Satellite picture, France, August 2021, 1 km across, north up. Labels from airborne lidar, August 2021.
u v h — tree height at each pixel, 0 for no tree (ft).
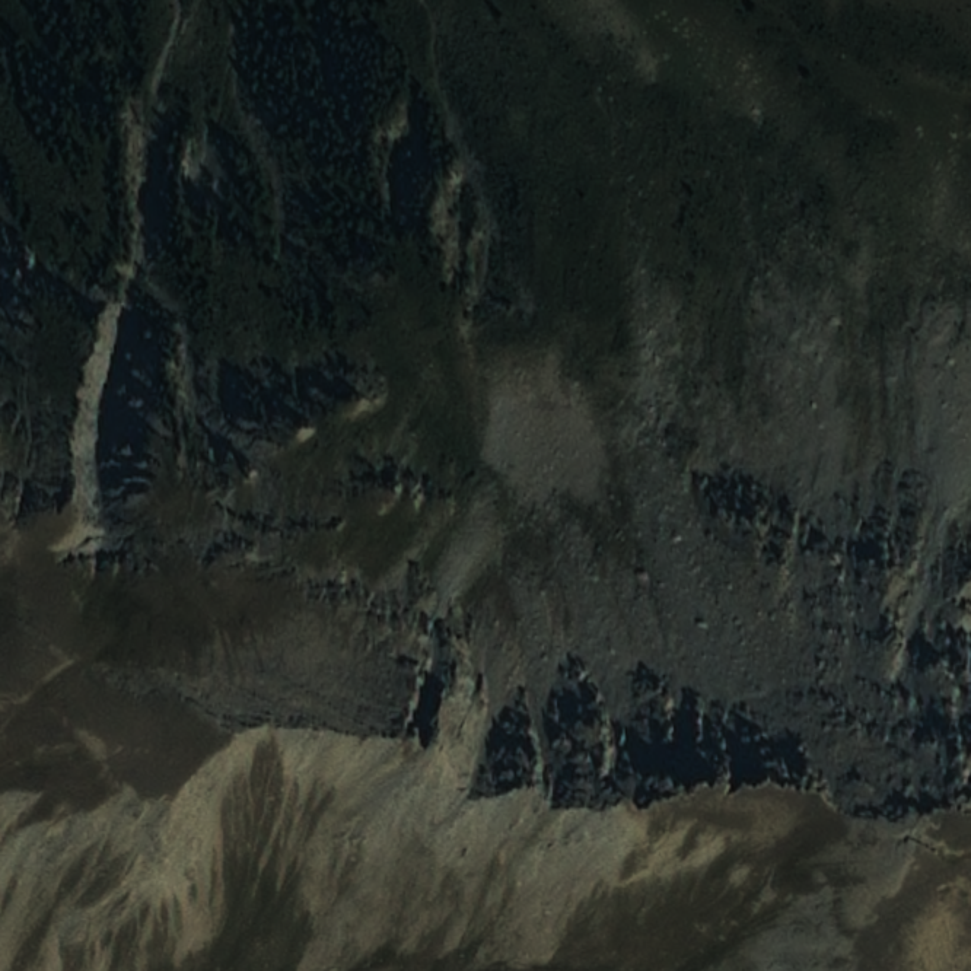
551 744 0
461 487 0
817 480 0
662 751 0
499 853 0
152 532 0
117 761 0
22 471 0
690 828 0
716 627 0
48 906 0
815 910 0
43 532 0
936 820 0
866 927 0
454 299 0
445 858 0
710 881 0
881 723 0
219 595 0
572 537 0
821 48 0
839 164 0
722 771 0
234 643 0
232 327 0
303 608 0
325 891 0
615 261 0
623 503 0
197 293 31
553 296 0
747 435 0
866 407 0
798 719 0
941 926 0
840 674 0
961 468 0
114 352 0
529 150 0
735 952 0
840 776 0
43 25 60
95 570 0
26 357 0
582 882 0
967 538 0
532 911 0
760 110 0
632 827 0
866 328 0
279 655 0
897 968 0
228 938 0
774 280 0
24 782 0
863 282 0
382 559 0
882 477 0
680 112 0
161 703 0
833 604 0
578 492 0
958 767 0
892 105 0
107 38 31
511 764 0
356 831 0
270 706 0
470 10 0
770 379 0
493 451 0
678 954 0
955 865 0
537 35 0
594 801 0
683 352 0
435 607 0
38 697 0
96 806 0
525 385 0
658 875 0
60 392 0
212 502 0
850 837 0
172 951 0
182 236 58
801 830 0
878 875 0
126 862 0
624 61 0
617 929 0
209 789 0
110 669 0
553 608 0
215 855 0
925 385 0
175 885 0
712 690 0
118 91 65
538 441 0
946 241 0
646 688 0
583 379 0
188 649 0
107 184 0
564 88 0
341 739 0
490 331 0
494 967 0
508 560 0
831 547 0
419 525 0
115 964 0
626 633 0
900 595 0
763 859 0
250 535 0
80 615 0
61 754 0
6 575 0
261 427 20
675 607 0
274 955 0
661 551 0
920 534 0
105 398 0
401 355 0
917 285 0
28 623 0
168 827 0
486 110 0
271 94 20
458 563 0
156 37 0
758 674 0
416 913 0
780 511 0
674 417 0
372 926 0
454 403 0
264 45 50
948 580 0
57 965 0
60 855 0
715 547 0
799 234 0
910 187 0
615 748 0
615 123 0
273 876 0
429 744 0
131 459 0
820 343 0
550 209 0
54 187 0
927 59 0
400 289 0
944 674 0
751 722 0
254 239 71
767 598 0
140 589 0
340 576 0
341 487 0
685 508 0
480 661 0
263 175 81
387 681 0
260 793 0
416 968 0
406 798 0
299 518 0
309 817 0
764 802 0
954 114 0
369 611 0
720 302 0
